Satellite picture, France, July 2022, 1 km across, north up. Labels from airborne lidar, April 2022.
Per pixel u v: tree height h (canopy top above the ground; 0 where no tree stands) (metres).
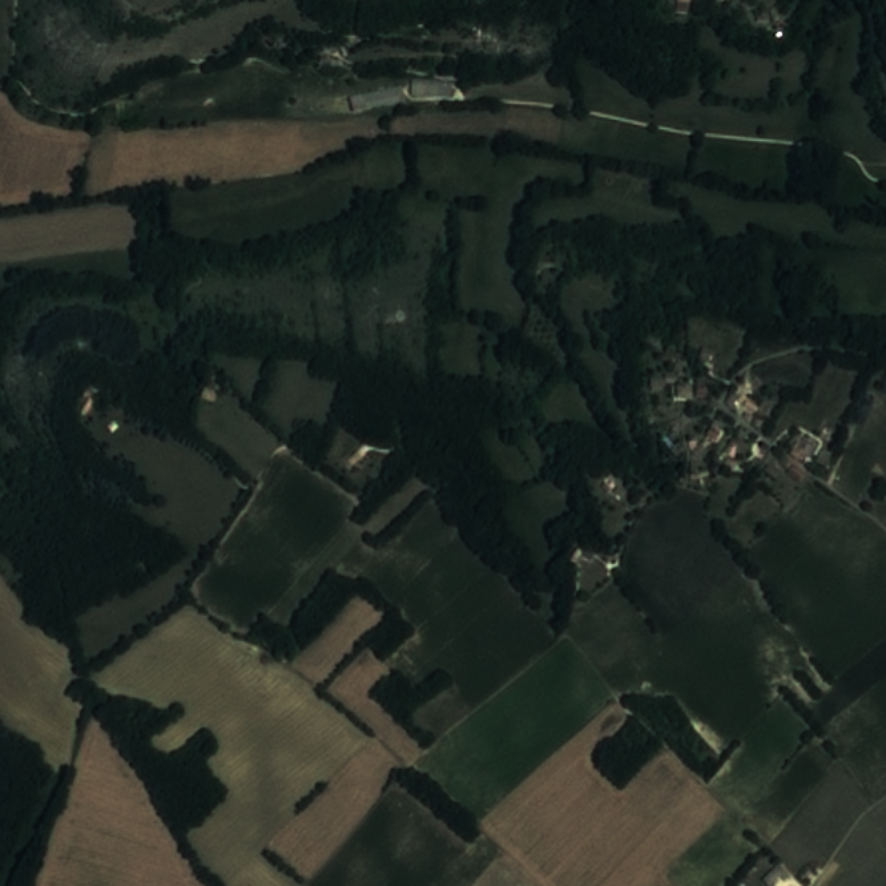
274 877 0
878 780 0
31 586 11
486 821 0
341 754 0
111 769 0
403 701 14
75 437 11
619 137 0
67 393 10
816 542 0
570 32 10
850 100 0
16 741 17
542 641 0
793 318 17
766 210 0
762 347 0
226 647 0
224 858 0
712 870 0
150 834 0
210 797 12
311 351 16
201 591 0
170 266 13
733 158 0
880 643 0
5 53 0
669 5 7
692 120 0
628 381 20
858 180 0
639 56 9
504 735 0
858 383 9
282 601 0
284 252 11
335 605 10
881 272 0
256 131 0
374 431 13
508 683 0
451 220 16
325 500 0
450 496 20
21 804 15
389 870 0
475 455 22
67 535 14
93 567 18
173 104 0
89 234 0
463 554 0
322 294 0
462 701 0
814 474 8
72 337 13
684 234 6
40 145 0
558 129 0
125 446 0
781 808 0
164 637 0
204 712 0
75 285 14
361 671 0
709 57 20
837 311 10
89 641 0
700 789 0
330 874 0
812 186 37
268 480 0
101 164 0
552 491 0
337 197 0
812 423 0
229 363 0
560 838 0
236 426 0
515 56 6
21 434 7
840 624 0
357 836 0
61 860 0
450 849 0
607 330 14
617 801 0
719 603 0
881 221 18
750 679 0
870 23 12
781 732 0
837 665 0
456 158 0
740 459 8
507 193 0
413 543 0
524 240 17
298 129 0
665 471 19
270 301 0
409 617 0
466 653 0
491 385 17
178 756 10
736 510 6
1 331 13
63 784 12
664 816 0
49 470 11
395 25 15
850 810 0
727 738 0
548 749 0
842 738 0
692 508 0
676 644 0
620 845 0
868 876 0
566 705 0
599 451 17
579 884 0
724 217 0
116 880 0
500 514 20
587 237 16
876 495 10
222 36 0
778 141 0
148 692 0
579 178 0
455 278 17
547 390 13
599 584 6
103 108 7
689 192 0
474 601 0
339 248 7
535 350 17
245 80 0
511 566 15
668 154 0
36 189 0
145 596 0
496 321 23
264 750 0
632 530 10
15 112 0
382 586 0
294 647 9
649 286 7
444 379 17
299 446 11
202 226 0
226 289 0
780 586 0
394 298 0
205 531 0
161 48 0
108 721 14
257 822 0
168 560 13
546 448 11
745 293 19
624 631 0
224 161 0
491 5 7
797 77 0
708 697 0
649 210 0
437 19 6
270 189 0
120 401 13
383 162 0
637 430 12
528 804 0
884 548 0
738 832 0
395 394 16
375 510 10
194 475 0
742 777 0
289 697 0
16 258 0
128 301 13
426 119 0
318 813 0
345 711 8
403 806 0
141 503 11
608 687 0
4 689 0
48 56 0
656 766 0
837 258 0
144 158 0
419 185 11
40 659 0
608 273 10
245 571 0
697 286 11
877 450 0
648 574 0
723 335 0
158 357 14
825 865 0
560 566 15
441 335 10
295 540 0
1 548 10
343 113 0
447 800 8
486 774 0
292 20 0
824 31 18
